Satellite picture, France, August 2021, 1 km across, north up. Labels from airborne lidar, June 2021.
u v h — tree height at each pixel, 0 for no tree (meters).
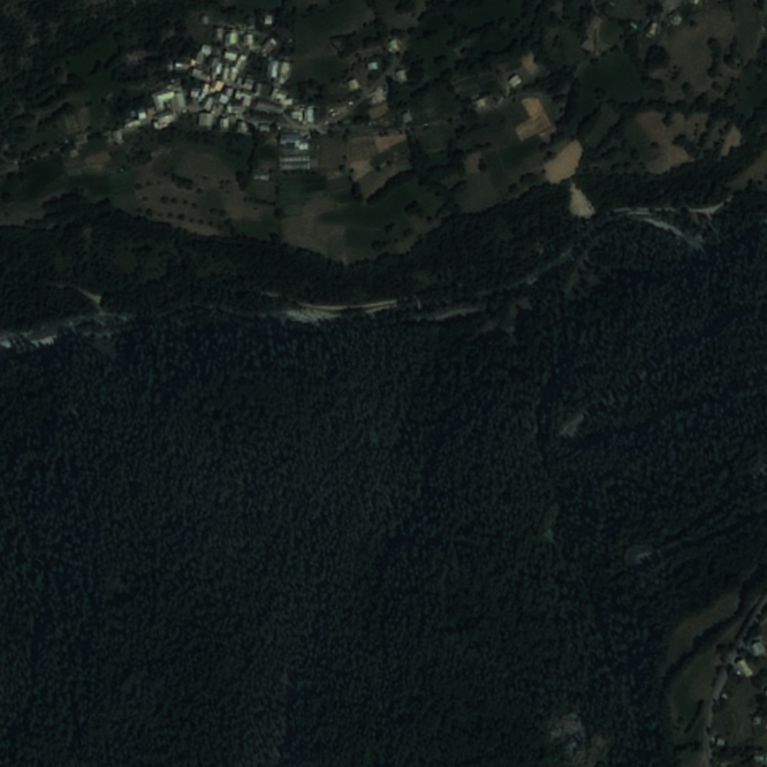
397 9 11
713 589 12
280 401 25
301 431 21
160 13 16
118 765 10
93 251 15
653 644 14
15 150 11
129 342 8
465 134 17
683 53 0
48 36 7
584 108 0
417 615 21
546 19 13
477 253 19
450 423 24
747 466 13
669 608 18
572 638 18
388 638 16
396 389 22
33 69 7
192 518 14
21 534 24
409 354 20
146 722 23
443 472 29
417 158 16
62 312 15
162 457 25
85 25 11
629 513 32
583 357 18
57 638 27
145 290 18
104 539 26
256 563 13
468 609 14
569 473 10
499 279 19
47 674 27
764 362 7
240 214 0
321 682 16
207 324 14
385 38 14
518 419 23
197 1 11
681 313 25
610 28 0
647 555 0
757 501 14
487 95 7
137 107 9
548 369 16
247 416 29
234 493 10
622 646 33
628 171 8
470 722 14
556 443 18
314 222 0
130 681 25
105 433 22
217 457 23
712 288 18
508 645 21
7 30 16
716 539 22
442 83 11
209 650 17
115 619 12
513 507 36
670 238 23
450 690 29
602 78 0
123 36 14
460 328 21
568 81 12
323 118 0
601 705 28
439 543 12
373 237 0
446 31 0
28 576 7
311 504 15
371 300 5
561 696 23
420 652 25
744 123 13
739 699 0
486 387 16
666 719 10
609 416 28
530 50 11
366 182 0
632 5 0
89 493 24
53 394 22
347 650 27
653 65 15
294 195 0
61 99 15
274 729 15
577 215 9
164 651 18
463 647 31
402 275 16
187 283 15
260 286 13
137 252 14
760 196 14
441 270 23
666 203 11
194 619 13
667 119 9
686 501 25
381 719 12
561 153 0
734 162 14
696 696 0
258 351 26
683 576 17
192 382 28
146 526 26
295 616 21
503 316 8
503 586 23
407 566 33
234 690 17
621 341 12
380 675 18
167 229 16
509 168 0
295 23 8
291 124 0
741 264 33
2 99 14
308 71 0
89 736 21
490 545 15
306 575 5
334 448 17
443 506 29
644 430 10
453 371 23
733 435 27
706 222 15
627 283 24
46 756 28
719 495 16
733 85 8
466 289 14
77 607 28
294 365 28
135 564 23
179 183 11
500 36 11
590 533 9
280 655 18
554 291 16
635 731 18
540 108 0
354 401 18
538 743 14
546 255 9
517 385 32
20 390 14
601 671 35
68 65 9
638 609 7
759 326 31
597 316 21
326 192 0
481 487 15
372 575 19
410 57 13
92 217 20
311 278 21
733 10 9
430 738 27
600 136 0
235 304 17
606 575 14
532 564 22
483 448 30
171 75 7
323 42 0
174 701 21
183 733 25
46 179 0
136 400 19
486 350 17
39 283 21
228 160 0
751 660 7
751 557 13
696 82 0
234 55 0
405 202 0
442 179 9
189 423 24
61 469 13
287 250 15
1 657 22
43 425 14
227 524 17
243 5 0
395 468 16
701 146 13
